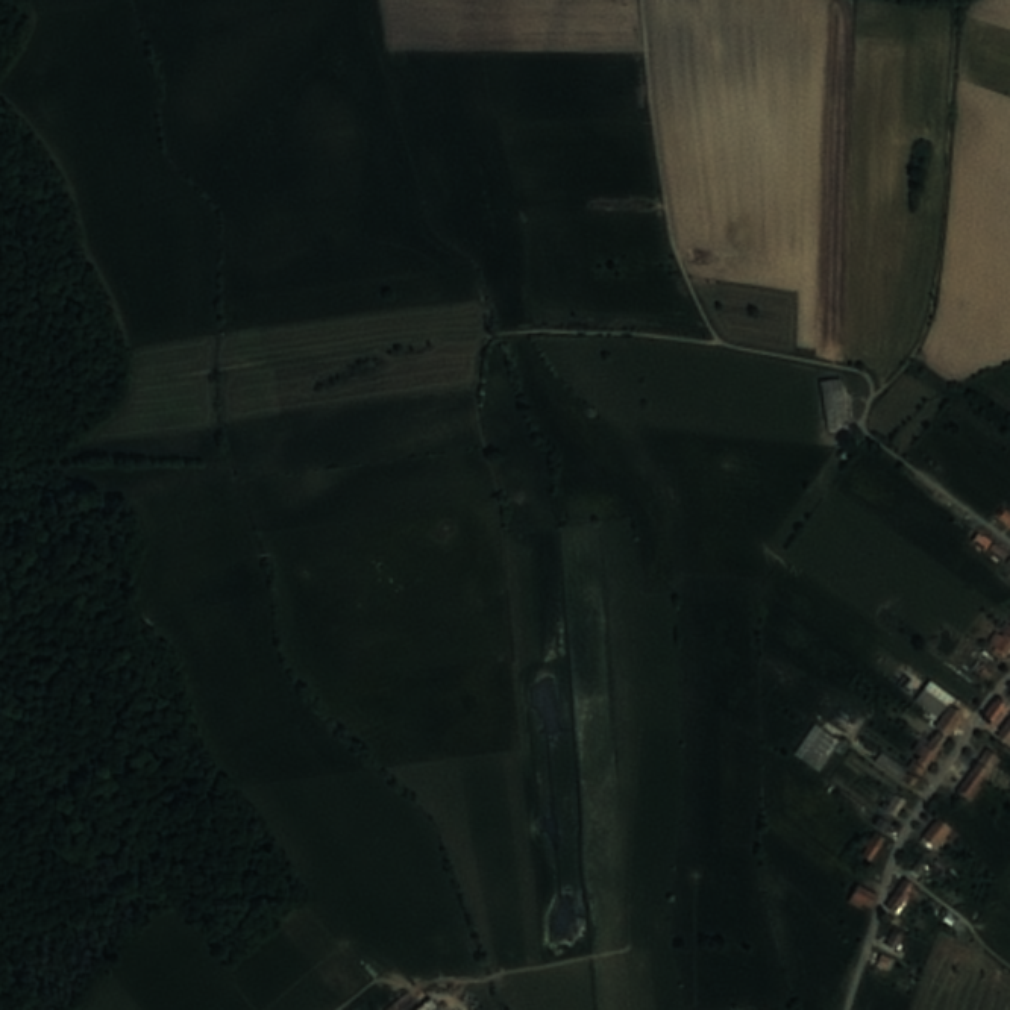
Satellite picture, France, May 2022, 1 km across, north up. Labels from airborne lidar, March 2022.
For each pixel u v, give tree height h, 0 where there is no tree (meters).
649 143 0
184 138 0
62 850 30
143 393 0
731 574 0
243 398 0
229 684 0
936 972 0
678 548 0
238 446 0
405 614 0
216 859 27
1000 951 0
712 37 0
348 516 0
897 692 0
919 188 10
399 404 0
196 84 0
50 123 0
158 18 0
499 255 0
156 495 0
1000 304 0
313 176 0
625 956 0
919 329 0
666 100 0
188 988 0
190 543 0
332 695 0
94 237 0
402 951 0
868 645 0
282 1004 0
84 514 28
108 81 0
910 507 0
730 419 0
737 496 0
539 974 0
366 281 0
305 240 0
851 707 0
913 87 0
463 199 0
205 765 20
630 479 0
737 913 0
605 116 0
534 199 0
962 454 0
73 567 30
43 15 0
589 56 0
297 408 0
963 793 0
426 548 0
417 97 0
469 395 0
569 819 0
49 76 0
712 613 0
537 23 0
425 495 0
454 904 0
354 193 0
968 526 0
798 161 0
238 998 0
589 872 0
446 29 0
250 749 0
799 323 0
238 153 0
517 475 0
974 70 0
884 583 0
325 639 0
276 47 0
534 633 0
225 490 0
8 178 27
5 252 27
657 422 0
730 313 0
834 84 0
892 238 0
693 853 0
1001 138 0
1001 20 0
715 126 0
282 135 0
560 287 0
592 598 0
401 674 0
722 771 0
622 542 0
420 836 0
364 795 0
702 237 0
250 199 0
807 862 0
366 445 0
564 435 0
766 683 0
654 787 0
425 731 0
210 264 0
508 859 0
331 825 0
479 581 0
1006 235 0
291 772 0
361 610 0
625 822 0
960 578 0
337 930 0
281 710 0
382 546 0
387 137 0
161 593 0
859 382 0
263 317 0
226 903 34
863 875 8
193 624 0
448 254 0
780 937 0
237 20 0
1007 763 0
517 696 0
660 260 0
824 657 0
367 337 0
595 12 0
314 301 0
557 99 0
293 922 0
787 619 0
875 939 0
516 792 0
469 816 0
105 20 0
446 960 0
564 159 0
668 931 0
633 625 0
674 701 0
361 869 0
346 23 0
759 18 0
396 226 0
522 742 0
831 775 0
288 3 0
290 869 19
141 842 26
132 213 0
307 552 0
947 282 0
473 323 0
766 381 0
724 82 0
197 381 0
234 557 0
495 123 0
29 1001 27
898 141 0
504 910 0
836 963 0
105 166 0
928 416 0
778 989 0
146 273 0
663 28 0
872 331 0
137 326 0
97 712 26
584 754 0
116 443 0
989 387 0
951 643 0
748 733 0
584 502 0
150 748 27
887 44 0
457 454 0
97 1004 0
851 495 0
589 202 0
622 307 0
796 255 0
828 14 0
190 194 0
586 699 0
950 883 6
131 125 0
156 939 0
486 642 0
